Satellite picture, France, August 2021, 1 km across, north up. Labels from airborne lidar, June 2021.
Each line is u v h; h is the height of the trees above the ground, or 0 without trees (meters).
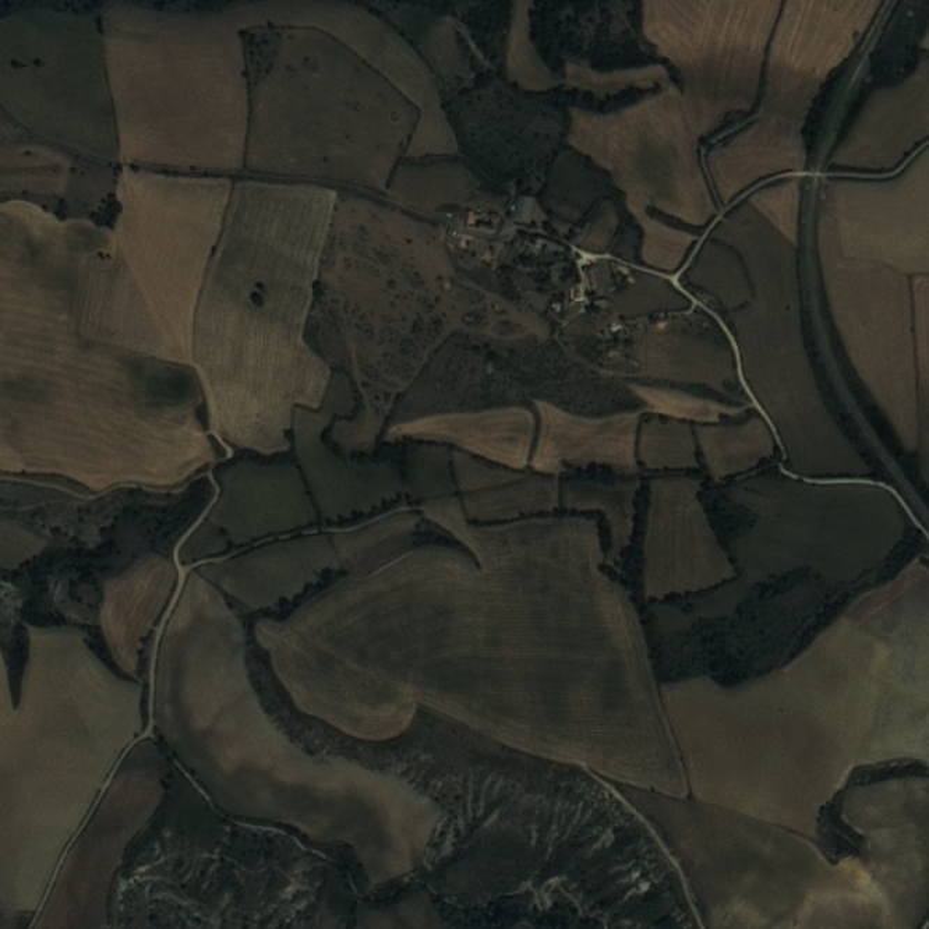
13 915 0
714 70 0
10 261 0
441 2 6
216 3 9
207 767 0
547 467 0
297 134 0
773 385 0
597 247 0
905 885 0
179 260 0
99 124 0
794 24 0
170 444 0
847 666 0
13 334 0
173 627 0
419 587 0
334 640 0
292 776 0
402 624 0
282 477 0
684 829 0
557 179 0
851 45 0
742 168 0
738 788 0
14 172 0
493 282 0
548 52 9
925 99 0
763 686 0
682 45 0
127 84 0
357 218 0
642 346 0
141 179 0
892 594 0
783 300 0
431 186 0
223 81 0
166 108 0
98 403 0
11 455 0
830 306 0
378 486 0
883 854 0
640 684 0
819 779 0
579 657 0
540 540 0
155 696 0
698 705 0
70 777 0
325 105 0
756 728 0
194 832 0
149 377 0
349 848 9
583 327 0
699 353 0
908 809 0
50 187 0
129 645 0
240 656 0
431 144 0
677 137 0
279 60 0
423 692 0
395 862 0
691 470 6
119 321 0
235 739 0
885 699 0
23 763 0
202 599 0
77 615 0
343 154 0
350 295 0
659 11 0
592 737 0
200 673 0
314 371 0
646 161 0
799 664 0
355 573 0
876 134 0
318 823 0
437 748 0
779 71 0
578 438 0
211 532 0
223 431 0
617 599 0
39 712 0
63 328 0
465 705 0
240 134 0
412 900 0
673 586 0
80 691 0
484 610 0
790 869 0
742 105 0
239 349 0
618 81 0
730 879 0
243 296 0
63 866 0
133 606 0
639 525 13
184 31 0
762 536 0
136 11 0
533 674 0
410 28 0
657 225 0
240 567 0
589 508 0
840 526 0
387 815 0
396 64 0
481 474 0
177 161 0
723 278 0
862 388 0
